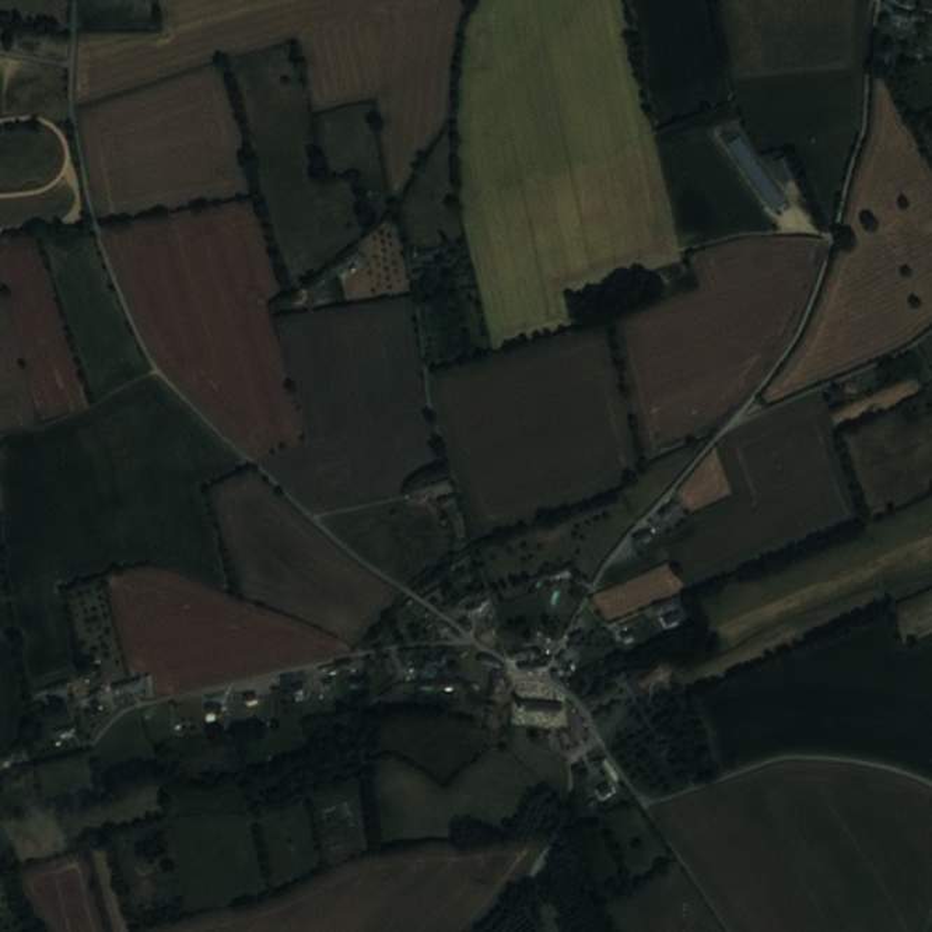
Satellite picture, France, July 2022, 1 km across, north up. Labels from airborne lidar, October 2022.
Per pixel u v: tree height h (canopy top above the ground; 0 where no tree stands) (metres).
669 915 0
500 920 15
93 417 0
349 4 0
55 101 0
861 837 0
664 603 6
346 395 0
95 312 0
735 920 0
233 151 0
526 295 0
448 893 0
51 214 0
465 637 0
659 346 0
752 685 0
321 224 0
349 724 17
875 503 0
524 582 10
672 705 5
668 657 17
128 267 0
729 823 0
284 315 9
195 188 0
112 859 9
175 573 0
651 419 0
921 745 0
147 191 0
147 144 0
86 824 0
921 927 0
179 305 0
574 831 20
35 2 0
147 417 0
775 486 0
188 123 0
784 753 0
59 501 0
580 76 0
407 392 0
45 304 0
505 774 0
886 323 0
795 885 0
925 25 7
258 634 0
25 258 0
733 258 0
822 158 0
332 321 0
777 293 0
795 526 0
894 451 0
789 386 0
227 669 0
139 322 0
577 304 16
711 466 0
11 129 10
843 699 0
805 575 0
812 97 0
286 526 0
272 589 0
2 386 0
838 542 16
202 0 0
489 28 0
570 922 29
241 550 0
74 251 0
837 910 0
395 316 0
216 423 0
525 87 0
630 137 0
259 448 0
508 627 8
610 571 0
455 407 0
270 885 8
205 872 0
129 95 0
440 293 10
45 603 0
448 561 7
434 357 7
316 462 0
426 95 0
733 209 0
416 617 0
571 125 0
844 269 0
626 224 0
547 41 0
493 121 0
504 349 6
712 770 14
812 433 0
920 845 0
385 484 0
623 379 10
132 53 0
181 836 0
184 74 0
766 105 0
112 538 0
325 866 8
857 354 0
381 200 0
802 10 0
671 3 0
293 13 0
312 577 0
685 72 0
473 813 0
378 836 17
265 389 0
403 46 0
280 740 0
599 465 0
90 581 8
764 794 0
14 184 0
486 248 0
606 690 13
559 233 0
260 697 0
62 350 0
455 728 0
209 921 0
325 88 0
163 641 0
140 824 11
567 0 0
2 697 0
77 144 7
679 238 0
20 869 13
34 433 0
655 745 12
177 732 0
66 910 0
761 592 0
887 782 0
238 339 0
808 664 0
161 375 0
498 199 0
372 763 6
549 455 0
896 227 0
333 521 0
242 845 0
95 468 0
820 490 0
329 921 0
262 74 0
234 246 0
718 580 14
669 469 0
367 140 0
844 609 0
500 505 0
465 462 0
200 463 0
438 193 0
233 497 0
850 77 0
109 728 0
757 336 0
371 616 0
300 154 0
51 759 10
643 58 14
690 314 0
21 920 19
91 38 0
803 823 0
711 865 0
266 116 0
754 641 0
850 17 0
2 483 0
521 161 0
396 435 0
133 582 0
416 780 0
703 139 0
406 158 0
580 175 0
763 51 0
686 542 0
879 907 0
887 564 0
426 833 0
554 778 0
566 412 0
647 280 15
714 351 0
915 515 0
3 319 0
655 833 11
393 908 0
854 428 14
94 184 0
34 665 0
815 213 8
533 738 13
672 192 0
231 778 6
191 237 0
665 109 0
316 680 0
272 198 0
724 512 0
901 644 6
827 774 0
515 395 0
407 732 0
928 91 0
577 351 0
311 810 9
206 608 0
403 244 14
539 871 0
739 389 0
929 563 0
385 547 0
